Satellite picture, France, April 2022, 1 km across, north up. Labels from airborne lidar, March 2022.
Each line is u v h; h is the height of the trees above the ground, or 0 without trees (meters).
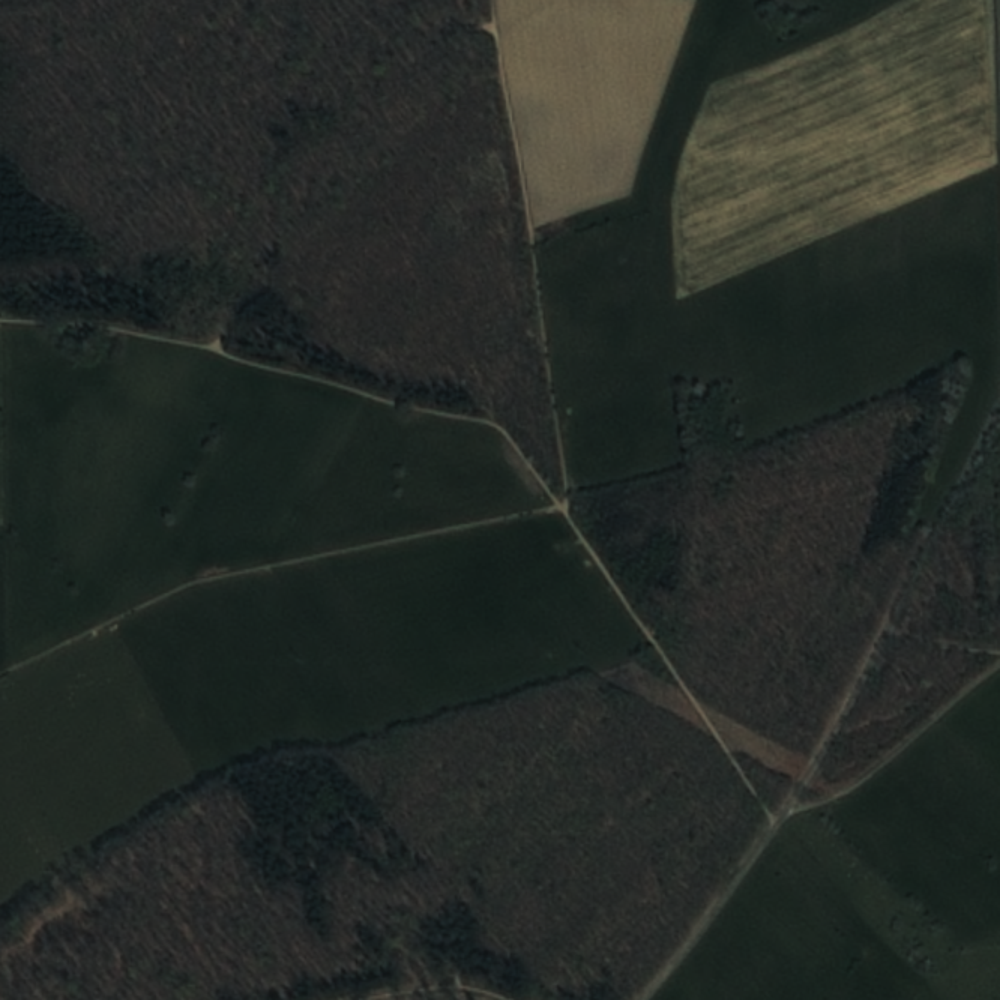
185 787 0
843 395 0
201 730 0
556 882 16
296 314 17
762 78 0
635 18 0
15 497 0
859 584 16
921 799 0
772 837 0
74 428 0
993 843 0
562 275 0
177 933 28
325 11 29
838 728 0
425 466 0
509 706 14
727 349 0
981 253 0
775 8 21
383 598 0
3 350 0
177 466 0
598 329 0
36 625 0
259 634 0
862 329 0
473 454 0
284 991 24
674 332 0
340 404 0
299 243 21
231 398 0
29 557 0
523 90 0
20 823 0
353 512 0
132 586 0
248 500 0
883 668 10
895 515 23
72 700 0
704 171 0
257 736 0
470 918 23
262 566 0
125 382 0
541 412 16
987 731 0
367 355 17
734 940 0
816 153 0
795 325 0
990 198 0
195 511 0
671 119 0
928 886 0
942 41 0
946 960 0
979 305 0
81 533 0
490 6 20
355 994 28
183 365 0
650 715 15
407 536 0
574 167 0
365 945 21
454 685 0
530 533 0
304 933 29
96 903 36
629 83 0
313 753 20
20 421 0
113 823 0
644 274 0
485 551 0
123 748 0
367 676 0
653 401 0
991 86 0
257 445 0
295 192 25
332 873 28
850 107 0
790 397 0
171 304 17
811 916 0
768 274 0
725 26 0
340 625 0
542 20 0
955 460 0
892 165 0
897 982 0
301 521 0
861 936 0
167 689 0
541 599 0
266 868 29
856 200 0
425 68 27
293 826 21
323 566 0
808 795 15
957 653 11
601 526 8
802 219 0
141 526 0
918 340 0
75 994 32
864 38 0
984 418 0
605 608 0
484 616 0
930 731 0
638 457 0
